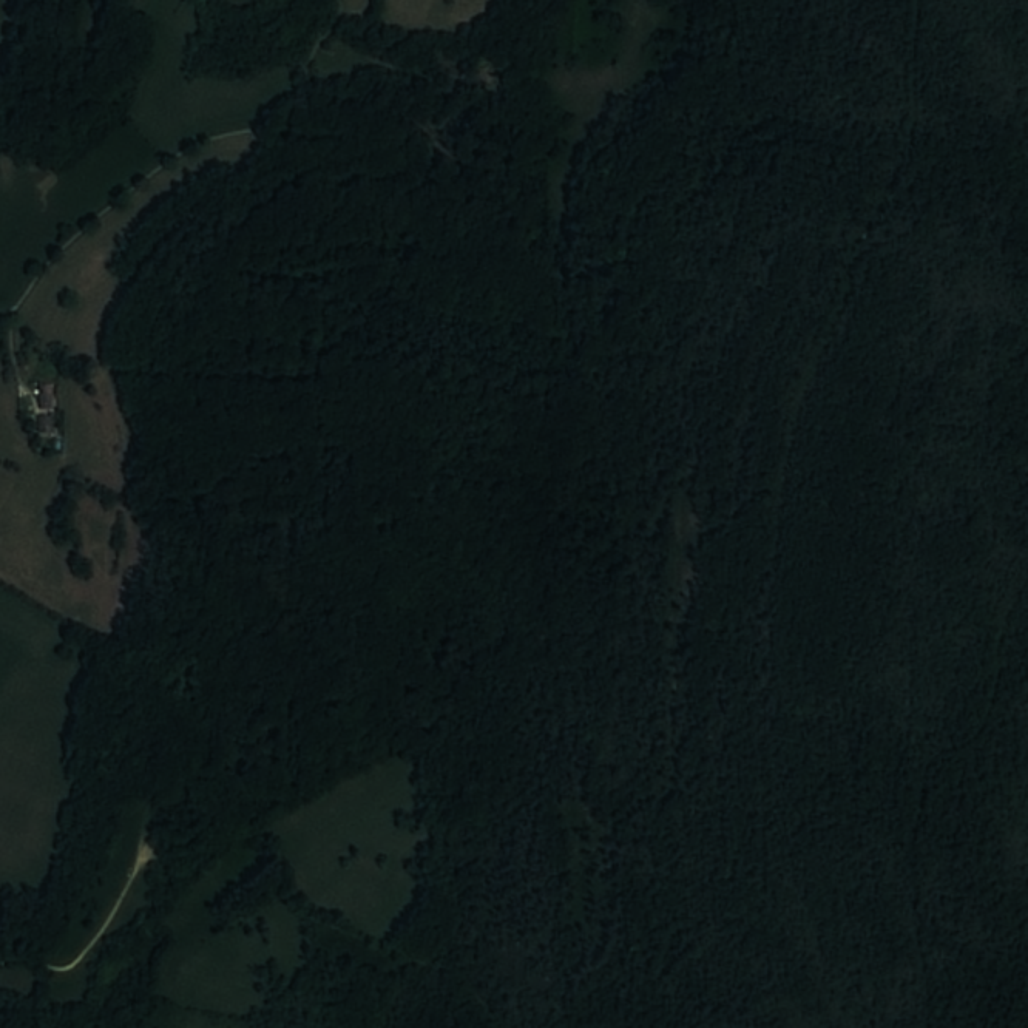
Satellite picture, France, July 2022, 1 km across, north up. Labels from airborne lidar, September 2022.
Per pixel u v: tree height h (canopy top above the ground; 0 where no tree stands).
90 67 20
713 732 15
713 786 15
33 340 13
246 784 25
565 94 0
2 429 0
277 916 0
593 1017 7
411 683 26
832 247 7
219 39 13
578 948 20
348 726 26
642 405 12
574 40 0
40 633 0
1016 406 21
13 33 21
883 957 10
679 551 0
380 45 22
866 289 12
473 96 23
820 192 16
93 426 0
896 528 12
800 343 11
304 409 25
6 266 0
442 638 17
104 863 14
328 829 0
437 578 20
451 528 20
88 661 14
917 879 9
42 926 22
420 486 20
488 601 26
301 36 7
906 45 12
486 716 18
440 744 24
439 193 27
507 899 18
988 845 14
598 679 13
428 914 27
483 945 7
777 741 9
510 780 14
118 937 14
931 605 9
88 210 0
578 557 22
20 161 24
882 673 11
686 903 12
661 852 7
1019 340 12
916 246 7
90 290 0
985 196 16
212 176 21
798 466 12
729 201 13
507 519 25
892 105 8
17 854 0
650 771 9
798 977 13
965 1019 6
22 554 0
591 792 16
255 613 24
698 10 23
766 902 8
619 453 17
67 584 0
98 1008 16
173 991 0
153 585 24
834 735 11
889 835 9
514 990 6
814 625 14
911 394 9
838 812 13
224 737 24
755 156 15
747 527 14
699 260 13
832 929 10
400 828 13
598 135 23
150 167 0
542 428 22
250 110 0
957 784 11
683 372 7
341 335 21
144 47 21
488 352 21
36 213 0
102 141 11
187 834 10
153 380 21
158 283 23
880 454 12
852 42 11
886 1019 10
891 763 7
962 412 6
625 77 0
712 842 12
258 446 25
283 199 32
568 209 11
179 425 26
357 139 27
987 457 10
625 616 16
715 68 25
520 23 21
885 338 10
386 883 0
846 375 15
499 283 22
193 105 0
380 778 0
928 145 19
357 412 21
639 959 14
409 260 24
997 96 8
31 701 0
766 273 7
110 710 23
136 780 17
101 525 0
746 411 8
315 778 28
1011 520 11
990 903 11
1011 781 10
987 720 11
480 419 15
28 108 28
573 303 27
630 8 0
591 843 21
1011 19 8
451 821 21
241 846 9
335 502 25
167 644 15
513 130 22
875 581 14
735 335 10
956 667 9
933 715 7
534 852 16
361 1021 11
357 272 25
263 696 28
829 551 13
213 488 27
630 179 21
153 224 19
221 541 27
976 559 11
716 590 17
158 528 22
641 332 21
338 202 25
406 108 23
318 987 6
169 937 12
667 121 25
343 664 29
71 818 14
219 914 22
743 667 11
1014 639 10
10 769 0
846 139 17
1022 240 20
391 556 19
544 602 22
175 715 21
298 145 26
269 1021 15
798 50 14
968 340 10
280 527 24
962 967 12
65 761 9
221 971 0
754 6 18
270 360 22
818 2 11
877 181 18
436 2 0
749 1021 8
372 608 22
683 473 15
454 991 16
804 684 8
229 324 23
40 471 0
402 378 23
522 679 22
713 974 13
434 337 18
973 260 7
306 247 21
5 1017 22
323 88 20
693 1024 10
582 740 15
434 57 22
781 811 10
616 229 18
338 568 20
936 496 6
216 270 28
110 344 20
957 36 9
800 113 13
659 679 14
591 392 17
